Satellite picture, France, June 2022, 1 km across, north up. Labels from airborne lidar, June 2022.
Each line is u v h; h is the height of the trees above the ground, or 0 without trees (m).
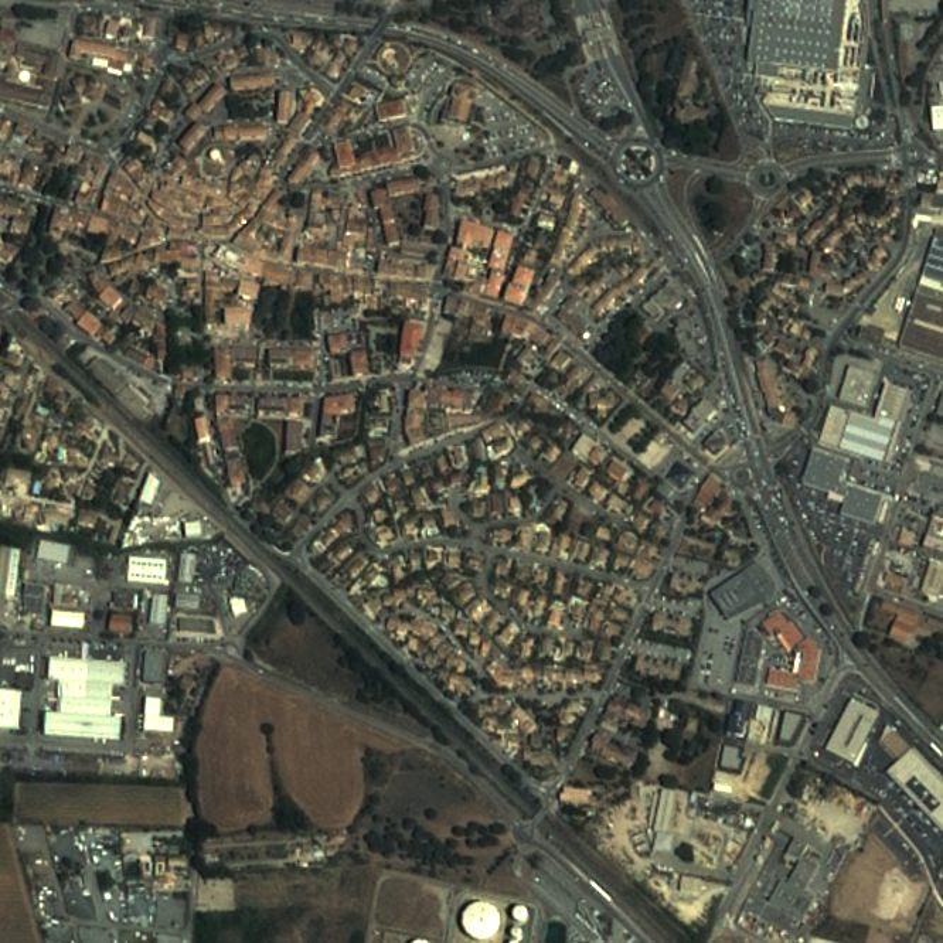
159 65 0
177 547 5
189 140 0
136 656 0
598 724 7
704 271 0
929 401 0
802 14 0
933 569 0
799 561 0
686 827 0
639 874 0
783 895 0
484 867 0
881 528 0
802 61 0
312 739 0
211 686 7
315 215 0
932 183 0
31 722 0
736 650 0
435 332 0
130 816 0
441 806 0
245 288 0
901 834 0
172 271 8
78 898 0
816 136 0
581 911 0
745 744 0
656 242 0
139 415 0
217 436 9
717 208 10
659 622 0
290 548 7
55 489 6
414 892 0
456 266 0
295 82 0
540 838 0
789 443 0
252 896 0
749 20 0
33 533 12
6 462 12
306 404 9
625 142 0
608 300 0
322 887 0
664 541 8
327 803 0
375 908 0
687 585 0
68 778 7
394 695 8
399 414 0
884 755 0
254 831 8
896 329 0
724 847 0
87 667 0
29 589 0
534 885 0
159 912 0
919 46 9
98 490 7
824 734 0
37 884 0
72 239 0
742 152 0
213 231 0
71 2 0
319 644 0
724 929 0
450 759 0
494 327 6
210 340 10
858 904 0
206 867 15
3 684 0
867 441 0
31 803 0
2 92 0
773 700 0
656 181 0
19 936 0
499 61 0
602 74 0
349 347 0
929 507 0
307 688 0
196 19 8
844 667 0
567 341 0
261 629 0
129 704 0
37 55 0
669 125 17
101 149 0
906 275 0
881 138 0
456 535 7
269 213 0
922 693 0
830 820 0
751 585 0
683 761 7
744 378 0
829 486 0
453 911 0
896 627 0
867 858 0
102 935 0
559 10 9
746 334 7
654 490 7
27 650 0
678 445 0
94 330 0
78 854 0
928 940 0
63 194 13
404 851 10
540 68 10
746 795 0
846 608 0
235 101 10
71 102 0
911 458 0
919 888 0
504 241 0
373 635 0
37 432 0
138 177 0
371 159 0
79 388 7
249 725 0
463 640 6
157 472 0
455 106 0
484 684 10
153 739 0
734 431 0
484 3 8
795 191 10
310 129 0
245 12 0
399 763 0
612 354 15
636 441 10
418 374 0
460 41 0
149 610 0
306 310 9
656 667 0
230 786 0
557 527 11
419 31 0
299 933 0
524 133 0
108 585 0
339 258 0
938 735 0
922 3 0
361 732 0
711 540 7
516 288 0
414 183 0
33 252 14
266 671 0
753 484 0
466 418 0
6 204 0
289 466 15
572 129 0
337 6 7
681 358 6
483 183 0
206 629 0
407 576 6
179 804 0
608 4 0
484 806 0
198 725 13
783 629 0
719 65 0
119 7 0
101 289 0
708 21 0
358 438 7
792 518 0
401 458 0
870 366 0
